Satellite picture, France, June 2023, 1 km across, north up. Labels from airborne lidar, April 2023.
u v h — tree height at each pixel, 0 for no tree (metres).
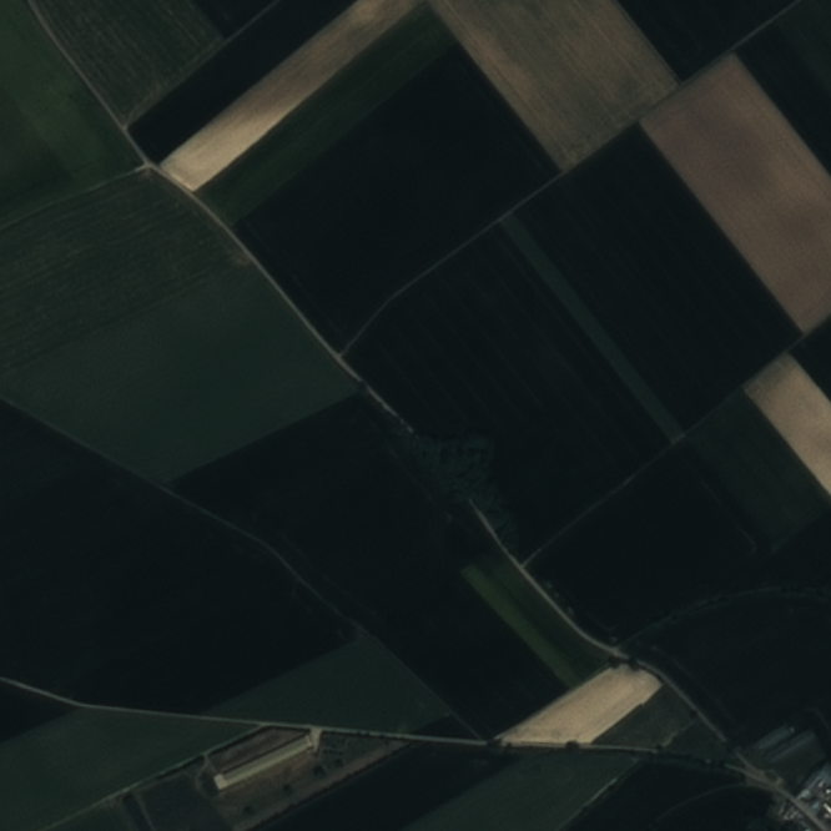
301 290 0
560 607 0
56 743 0
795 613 0
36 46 0
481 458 18
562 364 0
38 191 0
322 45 0
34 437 0
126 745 0
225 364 0
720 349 0
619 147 0
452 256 0
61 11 0
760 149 0
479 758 0
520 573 0
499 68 0
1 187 0
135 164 0
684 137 0
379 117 0
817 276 0
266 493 0
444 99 0
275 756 0
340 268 0
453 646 0
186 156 0
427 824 0
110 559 0
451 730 0
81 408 0
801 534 0
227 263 0
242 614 0
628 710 0
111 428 0
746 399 0
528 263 0
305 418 0
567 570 0
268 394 0
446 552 0
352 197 0
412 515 0
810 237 0
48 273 0
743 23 0
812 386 0
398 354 0
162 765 0
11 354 0
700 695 0
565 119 0
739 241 0
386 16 0
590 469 0
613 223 0
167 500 0
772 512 0
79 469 0
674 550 0
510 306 0
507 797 0
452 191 0
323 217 0
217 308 0
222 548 0
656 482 0
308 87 0
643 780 0
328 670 0
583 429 0
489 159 0
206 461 0
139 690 0
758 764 0
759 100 0
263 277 0
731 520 0
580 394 0
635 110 0
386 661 0
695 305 0
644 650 0
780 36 0
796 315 0
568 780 0
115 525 0
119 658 0
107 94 0
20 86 0
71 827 0
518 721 0
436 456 17
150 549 0
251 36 0
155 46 0
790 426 0
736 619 0
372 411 0
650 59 0
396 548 0
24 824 0
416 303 0
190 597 0
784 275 0
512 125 0
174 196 0
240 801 0
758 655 0
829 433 0
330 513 0
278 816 8
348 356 0
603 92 0
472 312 0
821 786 0
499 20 0
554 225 0
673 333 0
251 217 0
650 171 0
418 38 0
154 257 0
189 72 0
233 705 0
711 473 0
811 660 0
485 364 0
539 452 0
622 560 0
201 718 0
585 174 0
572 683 0
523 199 0
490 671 0
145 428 0
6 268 0
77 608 0
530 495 0
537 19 0
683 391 0
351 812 0
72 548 0
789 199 0
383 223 0
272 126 0
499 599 0
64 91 0
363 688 0
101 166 0
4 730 0
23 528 0
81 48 0
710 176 0
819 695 0
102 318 0
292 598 0
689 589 0
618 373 0
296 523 0
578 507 0
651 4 0
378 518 0
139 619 0
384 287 0
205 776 0
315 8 0
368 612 0
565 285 0
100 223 0
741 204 0
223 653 0
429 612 0
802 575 0
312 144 0
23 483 0
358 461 0
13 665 0
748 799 0
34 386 0
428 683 0
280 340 0
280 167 0
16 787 0
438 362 0
